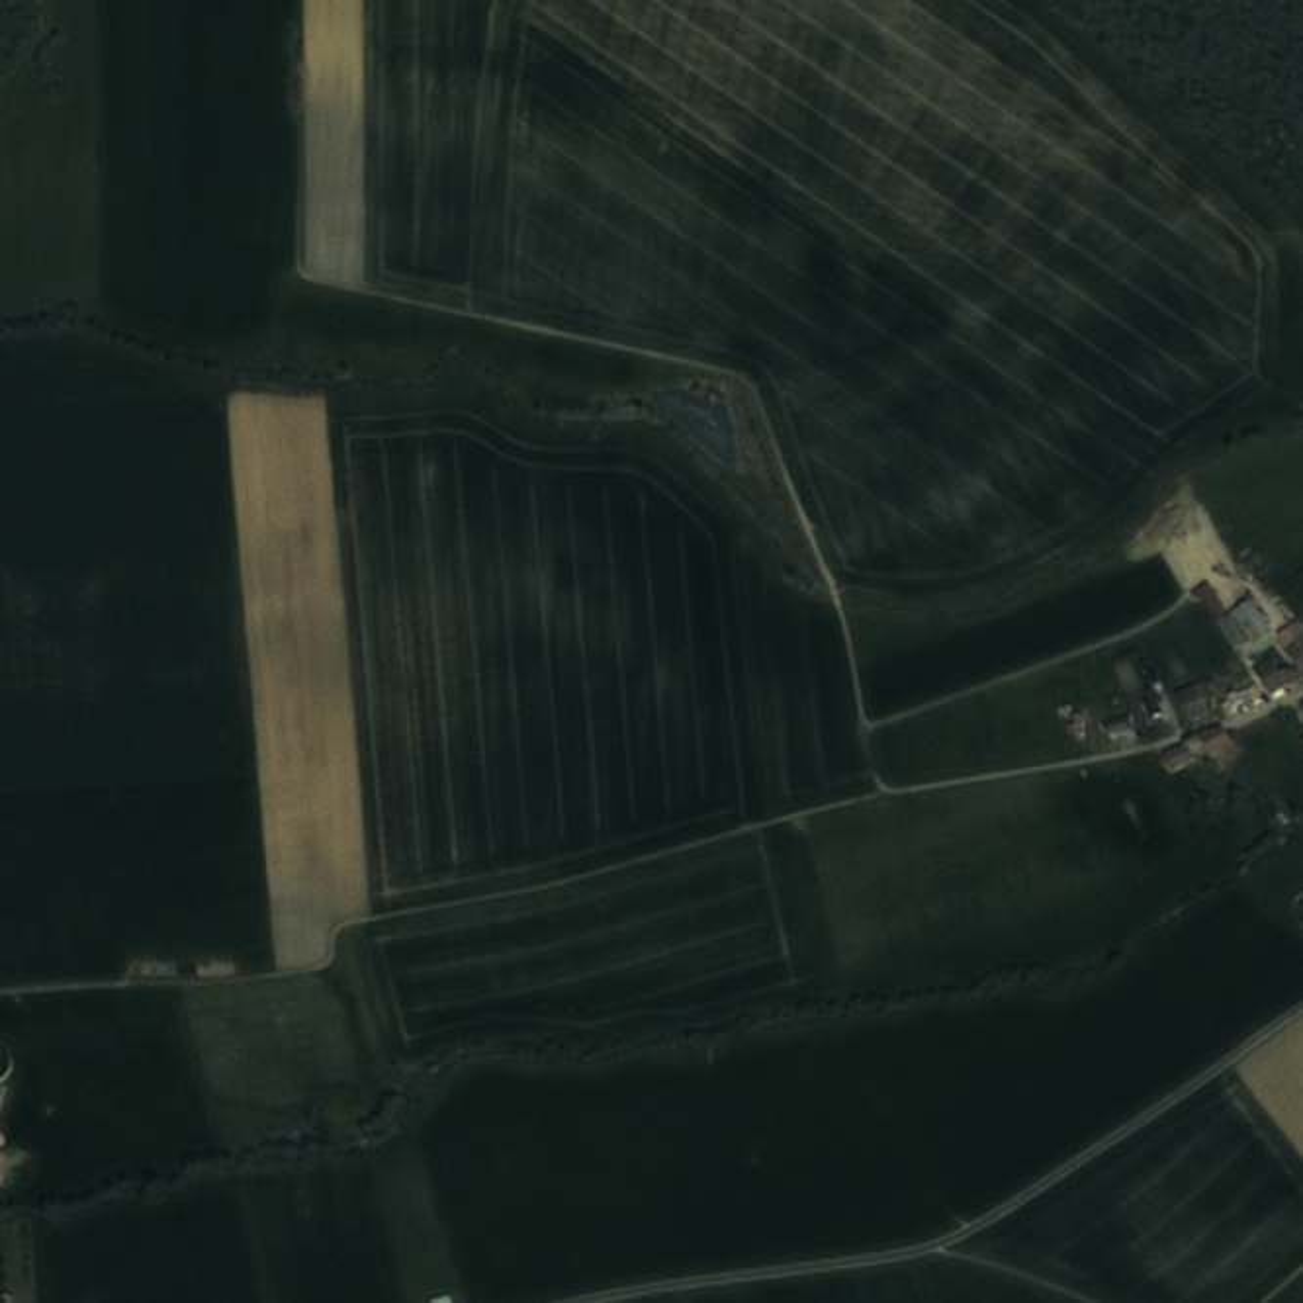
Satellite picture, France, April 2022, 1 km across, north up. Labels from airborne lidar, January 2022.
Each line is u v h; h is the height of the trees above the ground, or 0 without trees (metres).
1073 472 0
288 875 0
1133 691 0
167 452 0
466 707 0
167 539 0
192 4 0
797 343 0
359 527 0
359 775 0
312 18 0
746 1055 0
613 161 0
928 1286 0
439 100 0
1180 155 0
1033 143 0
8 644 0
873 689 0
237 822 0
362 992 0
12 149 0
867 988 0
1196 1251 0
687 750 0
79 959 0
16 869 0
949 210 0
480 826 0
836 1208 0
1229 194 0
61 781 0
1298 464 0
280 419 0
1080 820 0
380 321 0
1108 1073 0
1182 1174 0
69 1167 0
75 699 0
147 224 0
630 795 0
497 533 0
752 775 0
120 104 0
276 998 0
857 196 0
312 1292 0
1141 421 0
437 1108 0
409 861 0
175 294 0
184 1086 0
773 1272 0
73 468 0
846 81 0
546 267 0
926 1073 0
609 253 0
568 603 0
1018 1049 0
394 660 0
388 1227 0
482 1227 0
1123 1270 0
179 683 0
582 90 0
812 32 0
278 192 0
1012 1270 0
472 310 0
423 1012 0
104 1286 0
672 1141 0
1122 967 10
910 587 0
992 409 0
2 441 0
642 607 0
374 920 0
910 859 0
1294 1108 0
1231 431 0
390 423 0
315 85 0
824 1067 0
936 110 0
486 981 0
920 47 0
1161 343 0
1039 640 0
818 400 0
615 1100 0
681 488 0
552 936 0
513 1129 0
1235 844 0
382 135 0
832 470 0
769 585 0
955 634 0
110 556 0
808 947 0
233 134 0
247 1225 0
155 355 15
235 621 0
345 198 0
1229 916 0
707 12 0
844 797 0
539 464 0
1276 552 0
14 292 0
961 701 0
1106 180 0
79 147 0
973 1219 0
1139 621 0
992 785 0
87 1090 0
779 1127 0
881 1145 0
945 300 0
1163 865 0
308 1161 18
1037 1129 0
